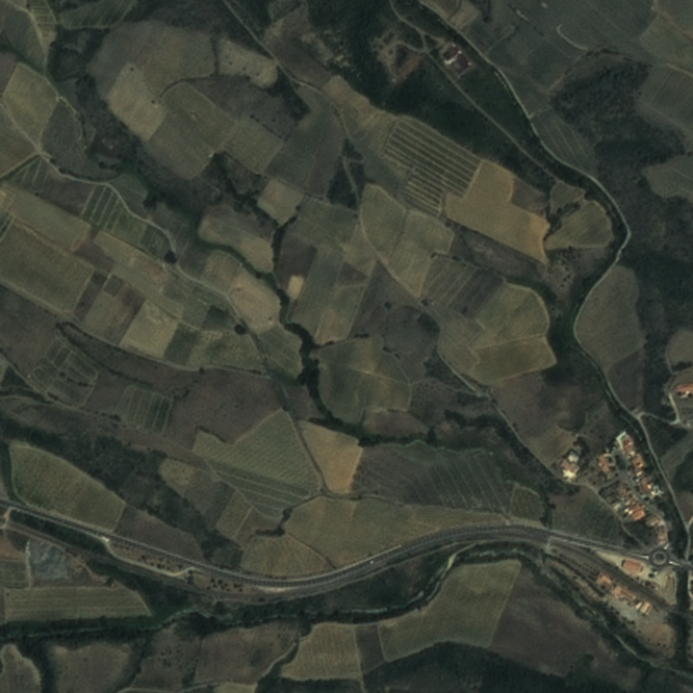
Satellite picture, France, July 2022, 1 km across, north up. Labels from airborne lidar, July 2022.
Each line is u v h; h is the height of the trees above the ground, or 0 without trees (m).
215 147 0
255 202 8
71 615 0
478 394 0
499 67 0
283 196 0
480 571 0
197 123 0
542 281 0
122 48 0
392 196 0
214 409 0
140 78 0
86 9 0
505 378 0
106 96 0
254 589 0
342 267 0
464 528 0
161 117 0
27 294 0
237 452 0
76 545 6
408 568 0
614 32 0
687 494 0
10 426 6
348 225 0
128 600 0
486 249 0
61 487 0
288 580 0
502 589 0
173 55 0
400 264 0
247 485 0
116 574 6
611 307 0
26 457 0
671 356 0
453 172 0
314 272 0
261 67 0
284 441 0
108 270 0
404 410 0
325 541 0
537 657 0
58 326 8
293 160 0
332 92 0
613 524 0
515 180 0
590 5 0
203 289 0
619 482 7
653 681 0
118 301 0
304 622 5
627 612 0
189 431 0
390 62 0
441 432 0
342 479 0
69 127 0
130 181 0
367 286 0
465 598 0
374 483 0
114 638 8
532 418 0
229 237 0
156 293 0
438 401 0
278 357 0
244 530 0
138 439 0
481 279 0
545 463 0
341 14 6
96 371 0
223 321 0
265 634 0
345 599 0
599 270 7
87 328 0
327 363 0
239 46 0
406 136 0
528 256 0
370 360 0
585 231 0
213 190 0
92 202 0
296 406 0
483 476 0
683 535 11
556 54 0
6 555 0
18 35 0
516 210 0
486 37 0
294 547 0
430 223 0
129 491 0
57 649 0
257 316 0
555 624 0
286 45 0
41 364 0
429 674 0
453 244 0
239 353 0
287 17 0
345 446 0
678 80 0
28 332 0
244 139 0
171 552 0
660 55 0
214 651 0
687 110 0
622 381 0
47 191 0
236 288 0
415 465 0
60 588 0
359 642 0
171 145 0
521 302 0
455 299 0
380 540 0
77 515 0
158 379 0
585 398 0
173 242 0
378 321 0
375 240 0
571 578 0
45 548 0
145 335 0
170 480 0
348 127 0
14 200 0
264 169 0
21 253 0
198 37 0
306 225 0
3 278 0
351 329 0
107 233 0
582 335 0
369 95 7
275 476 0
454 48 0
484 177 0
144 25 0
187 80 0
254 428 0
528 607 0
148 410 0
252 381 0
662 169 0
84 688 0
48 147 0
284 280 0
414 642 0
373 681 0
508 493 0
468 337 0
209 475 0
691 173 0
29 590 0
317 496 0
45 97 0
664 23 0
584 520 0
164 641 0
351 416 0
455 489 0
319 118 0
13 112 0
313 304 0
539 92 0
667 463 0
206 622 17
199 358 0
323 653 0
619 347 0
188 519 0
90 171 0
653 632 0
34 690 0
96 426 0
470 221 0
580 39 0
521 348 0
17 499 6
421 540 0
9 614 0
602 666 0
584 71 0
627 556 0
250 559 0
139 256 0
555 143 0
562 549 0
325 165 0
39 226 0
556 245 0
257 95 0
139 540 0
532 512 0
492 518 0
